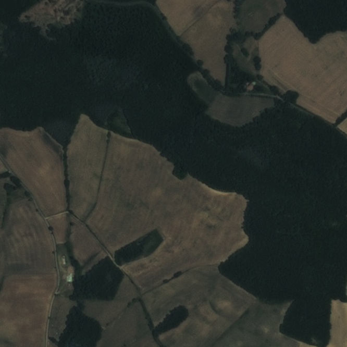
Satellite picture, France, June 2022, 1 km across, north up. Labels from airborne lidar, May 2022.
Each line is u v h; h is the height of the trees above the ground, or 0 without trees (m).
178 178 7
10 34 6
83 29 7
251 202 13
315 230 12
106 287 9
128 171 0
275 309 0
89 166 0
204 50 0
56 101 16
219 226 0
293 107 11
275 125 17
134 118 19
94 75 19
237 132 23
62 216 0
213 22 0
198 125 17
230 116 0
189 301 0
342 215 14
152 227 0
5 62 9
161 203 0
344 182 16
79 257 0
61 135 14
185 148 14
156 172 0
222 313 0
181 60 9
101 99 14
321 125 15
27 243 0
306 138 17
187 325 0
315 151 15
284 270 14
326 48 0
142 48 8
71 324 22
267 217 15
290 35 0
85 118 0
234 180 18
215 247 0
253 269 14
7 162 0
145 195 0
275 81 0
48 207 0
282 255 17
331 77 0
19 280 0
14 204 0
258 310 0
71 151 0
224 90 13
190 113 8
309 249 12
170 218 0
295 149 19
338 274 15
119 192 0
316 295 15
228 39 12
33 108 14
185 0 0
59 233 0
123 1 12
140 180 0
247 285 20
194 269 0
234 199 0
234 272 14
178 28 0
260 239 19
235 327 0
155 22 7
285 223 19
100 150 0
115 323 0
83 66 12
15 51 9
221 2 0
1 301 0
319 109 0
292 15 15
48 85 15
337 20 20
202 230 0
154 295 0
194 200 0
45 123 17
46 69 15
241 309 0
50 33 17
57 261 0
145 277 0
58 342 7
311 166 12
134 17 8
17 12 11
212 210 0
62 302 0
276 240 20
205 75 17
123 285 0
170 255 0
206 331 0
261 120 16
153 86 12
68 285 0
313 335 7
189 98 9
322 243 12
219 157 17
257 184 17
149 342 0
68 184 15
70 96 20
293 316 12
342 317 0
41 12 18
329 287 15
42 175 0
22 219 0
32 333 0
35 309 0
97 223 0
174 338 0
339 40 0
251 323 0
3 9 8
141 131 17
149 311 0
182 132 16
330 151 13
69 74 12
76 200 0
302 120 8
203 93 0
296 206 12
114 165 0
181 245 0
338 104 0
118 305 0
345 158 14
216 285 0
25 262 0
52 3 13
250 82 11
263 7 0
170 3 0
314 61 0
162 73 8
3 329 0
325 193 16
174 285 0
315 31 14
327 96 0
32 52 10
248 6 0
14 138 0
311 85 0
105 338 0
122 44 7
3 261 0
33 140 0
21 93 14
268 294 15
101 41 8
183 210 0
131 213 0
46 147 0
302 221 10
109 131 11
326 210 15
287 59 0
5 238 0
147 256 0
